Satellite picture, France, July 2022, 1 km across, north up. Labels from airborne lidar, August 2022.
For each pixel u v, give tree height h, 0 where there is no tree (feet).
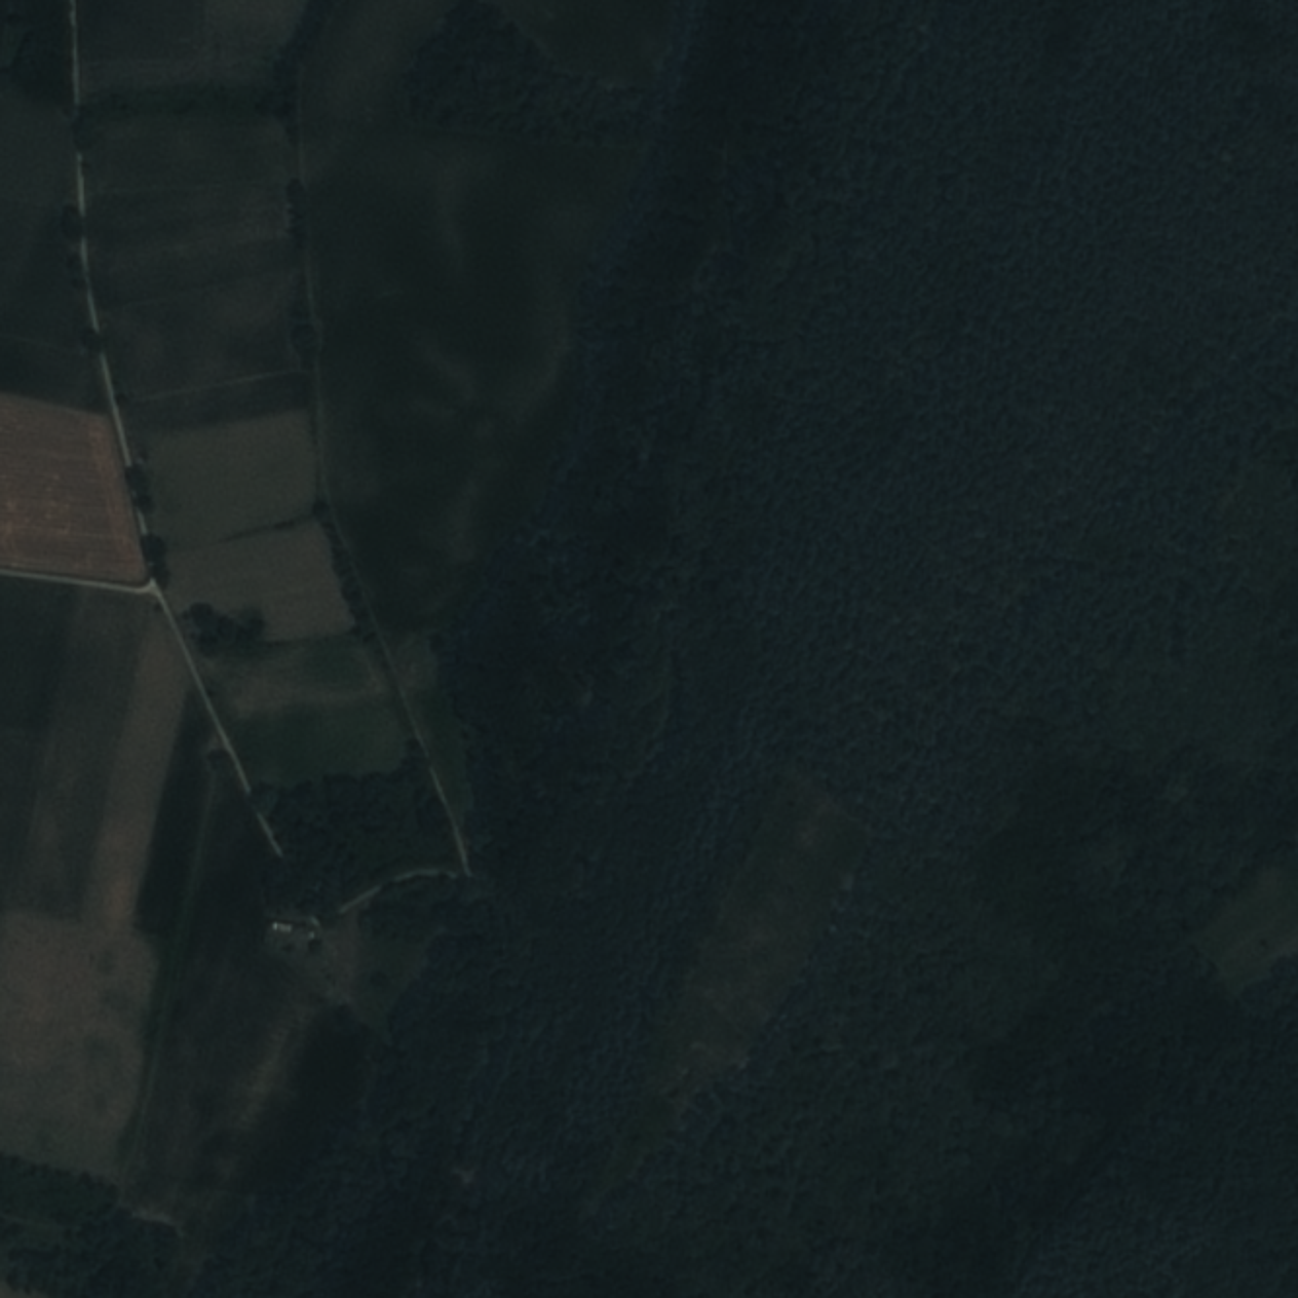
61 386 0
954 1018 64
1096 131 83
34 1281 29
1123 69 96
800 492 87
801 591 104
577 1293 93
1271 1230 81
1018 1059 52
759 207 98
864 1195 81
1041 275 100
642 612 82
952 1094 90
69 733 0
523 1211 76
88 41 0
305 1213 64
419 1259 96
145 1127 0
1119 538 69
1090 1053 78
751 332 59
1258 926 0
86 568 0
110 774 0
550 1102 83
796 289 84
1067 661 76
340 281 0
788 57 121
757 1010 0
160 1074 0
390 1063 61
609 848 89
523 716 107
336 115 0
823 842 0
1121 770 43
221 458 0
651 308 96
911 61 41
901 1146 85
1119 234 70
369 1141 71
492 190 0
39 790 0
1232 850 73
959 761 68
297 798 40
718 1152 66
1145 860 59
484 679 107
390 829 32
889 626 73
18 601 0
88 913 0
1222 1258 82
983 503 58
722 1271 89
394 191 0
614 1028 102
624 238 83
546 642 109
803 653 99
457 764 0
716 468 69
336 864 26
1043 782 57
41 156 0
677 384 100
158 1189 0
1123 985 72
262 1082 0
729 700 79
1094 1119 88
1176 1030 52
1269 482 82
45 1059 0
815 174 76
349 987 0
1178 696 93
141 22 0
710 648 76
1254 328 66
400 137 0
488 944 89
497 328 0
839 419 52
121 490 0
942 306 57
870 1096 69
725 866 69
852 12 87
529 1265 75
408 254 0
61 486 0
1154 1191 75
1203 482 83
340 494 0
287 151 0
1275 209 78
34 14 50
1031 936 68
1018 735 60
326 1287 104
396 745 0
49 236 0
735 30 110
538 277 0
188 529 0
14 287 0
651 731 63
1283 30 89
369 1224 99
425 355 0
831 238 73
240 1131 0
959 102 84
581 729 109
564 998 68
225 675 0
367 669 0
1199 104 93
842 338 77
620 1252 79
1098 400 86
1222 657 89
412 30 0
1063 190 98
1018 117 70
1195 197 72
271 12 0
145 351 0
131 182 0
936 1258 66
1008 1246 66
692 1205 72
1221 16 66
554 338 0
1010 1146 96
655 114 80
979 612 77
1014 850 52
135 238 0
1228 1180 76
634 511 100
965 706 79
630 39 0
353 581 32
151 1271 79
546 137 57
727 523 86
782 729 73
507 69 31
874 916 68
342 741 0
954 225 85
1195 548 114
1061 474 79
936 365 71
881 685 62
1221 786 80
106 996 0
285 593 0
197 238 0
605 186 0
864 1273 76
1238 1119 82
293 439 0
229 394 0
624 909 71
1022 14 71
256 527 0
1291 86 84
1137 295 84
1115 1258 80
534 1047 87
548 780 106
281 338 0
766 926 0
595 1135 87
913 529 98
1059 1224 43
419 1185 98
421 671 0
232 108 0
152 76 0
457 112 60
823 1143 58
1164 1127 80
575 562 93
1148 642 76
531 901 95
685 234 111
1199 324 79
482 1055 67
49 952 0
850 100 96
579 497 99
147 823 0
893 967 77
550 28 0
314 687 0
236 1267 67
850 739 68
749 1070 32
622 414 99
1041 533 87
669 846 68
